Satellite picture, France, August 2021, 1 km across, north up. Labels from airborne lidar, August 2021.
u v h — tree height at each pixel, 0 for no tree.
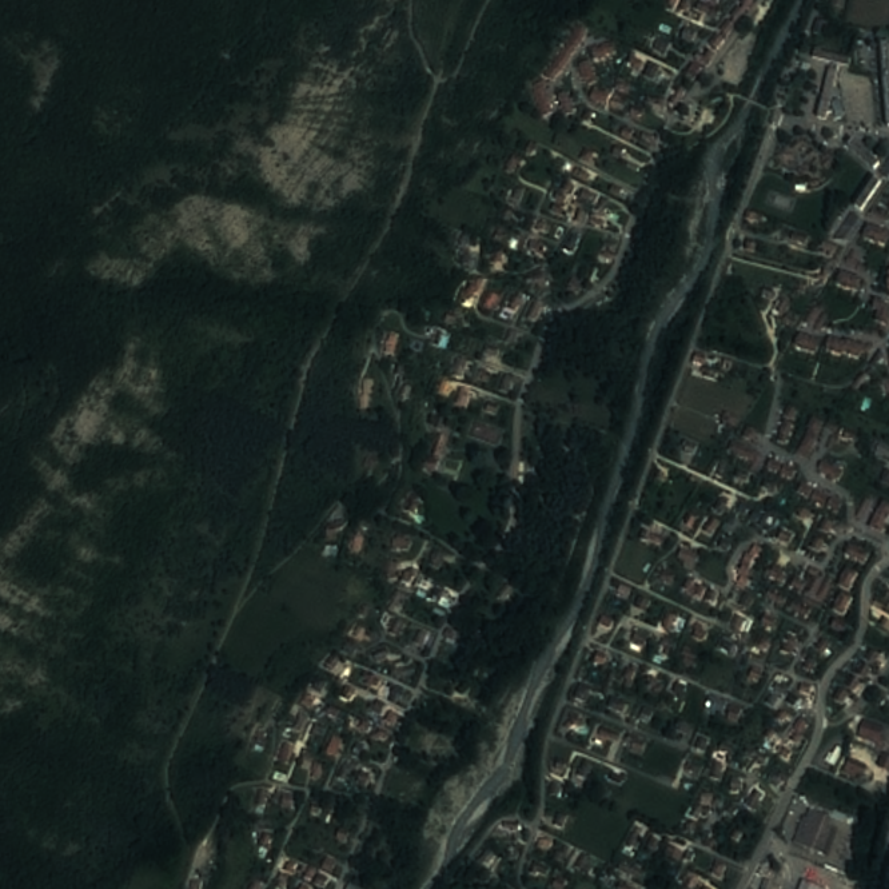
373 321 16
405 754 24
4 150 21
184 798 6
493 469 16
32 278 15
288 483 7
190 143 6
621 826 0
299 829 8
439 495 0
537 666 0
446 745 0
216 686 20
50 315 18
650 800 0
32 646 6
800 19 8
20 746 16
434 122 8
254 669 0
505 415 6
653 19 0
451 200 0
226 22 11
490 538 18
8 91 13
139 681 8
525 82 11
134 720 10
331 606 0
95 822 11
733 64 0
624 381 12
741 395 0
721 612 10
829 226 14
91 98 12
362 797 11
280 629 0
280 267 10
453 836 0
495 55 9
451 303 13
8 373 17
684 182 8
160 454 7
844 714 0
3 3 13
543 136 0
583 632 0
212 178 8
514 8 13
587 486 13
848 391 8
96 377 10
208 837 0
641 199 12
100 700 9
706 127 10
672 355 14
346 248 9
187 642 0
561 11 21
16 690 8
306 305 12
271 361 8
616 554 0
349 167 0
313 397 7
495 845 7
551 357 23
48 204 18
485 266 8
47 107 10
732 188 12
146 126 10
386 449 14
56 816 10
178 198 11
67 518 9
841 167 16
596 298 0
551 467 20
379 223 9
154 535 7
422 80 13
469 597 13
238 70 9
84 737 9
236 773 14
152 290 18
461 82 7
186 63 13
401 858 14
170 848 15
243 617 0
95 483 10
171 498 7
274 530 10
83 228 10
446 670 6
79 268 7
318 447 17
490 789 0
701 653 8
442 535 10
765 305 0
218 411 18
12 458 11
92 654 10
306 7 9
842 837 0
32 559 9
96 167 11
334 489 9
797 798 0
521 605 10
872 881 12
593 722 9
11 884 8
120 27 13
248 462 14
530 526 15
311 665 8
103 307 14
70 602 8
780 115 0
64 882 15
